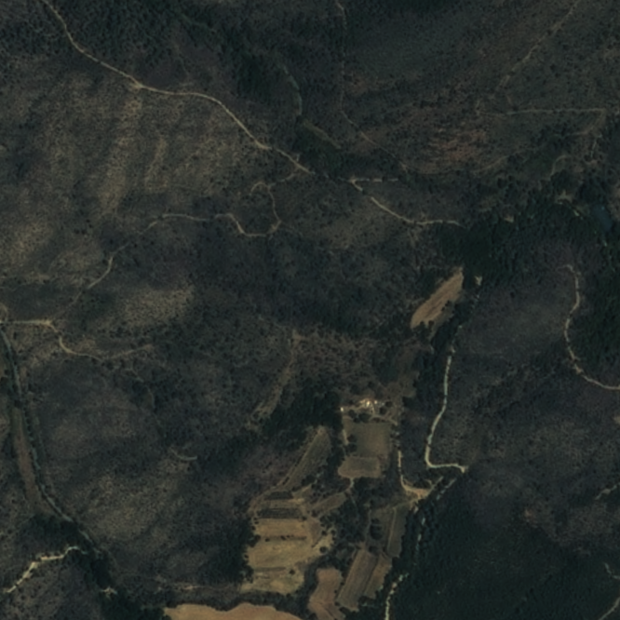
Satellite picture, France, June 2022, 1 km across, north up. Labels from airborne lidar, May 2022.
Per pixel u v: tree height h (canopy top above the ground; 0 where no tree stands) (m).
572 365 9
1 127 13
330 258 10
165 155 0
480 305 19
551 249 19
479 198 13
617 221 7
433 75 7
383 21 8
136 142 0
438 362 14
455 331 13
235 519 8
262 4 8
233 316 10
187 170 0
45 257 0
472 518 7
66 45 10
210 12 11
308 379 7
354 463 0
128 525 0
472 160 8
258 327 7
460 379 8
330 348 10
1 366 0
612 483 8
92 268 0
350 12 9
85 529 8
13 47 14
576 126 8
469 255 15
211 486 9
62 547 9
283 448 7
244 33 14
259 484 7
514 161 14
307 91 8
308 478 10
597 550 7
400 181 6
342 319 13
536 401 7
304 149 12
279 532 0
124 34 18
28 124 7
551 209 12
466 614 7
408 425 11
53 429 0
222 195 0
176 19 19
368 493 10
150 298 0
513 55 6
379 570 0
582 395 7
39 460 8
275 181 9
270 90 9
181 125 0
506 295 19
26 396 9
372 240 0
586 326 10
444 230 10
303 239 14
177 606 13
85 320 8
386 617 6
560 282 15
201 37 21
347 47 8
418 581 10
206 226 15
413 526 9
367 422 14
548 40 0
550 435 0
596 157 9
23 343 0
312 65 6
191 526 6
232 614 0
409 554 11
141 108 0
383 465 0
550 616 9
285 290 11
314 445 0
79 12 19
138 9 22
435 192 10
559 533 10
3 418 0
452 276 9
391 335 12
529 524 7
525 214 10
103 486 0
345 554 0
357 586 0
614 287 13
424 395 14
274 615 0
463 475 8
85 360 0
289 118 9
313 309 8
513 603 7
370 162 7
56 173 0
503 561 7
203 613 0
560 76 11
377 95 6
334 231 0
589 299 10
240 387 12
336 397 12
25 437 0
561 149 12
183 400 12
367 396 0
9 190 0
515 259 5
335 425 17
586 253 12
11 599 8
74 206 0
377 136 0
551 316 0
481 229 17
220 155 0
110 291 0
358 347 7
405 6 10
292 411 10
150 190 0
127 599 12
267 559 0
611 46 9
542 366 11
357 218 0
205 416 11
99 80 9
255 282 7
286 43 8
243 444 9
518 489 0
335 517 8
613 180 11
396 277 9
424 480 13
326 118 7
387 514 0
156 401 8
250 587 0
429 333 6
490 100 8
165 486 0
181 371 8
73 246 0
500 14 5
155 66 19
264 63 13
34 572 9
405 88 8
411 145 9
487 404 7
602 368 7
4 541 8
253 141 9
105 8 20
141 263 11
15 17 16
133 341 0
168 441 10
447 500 6
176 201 0
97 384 0
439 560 9
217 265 9
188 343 9
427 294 11
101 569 19
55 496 9
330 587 0
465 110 9
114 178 0
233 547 6
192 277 8
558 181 8
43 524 15
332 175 8
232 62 19
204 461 7
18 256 0
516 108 10
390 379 7
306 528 0
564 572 7
